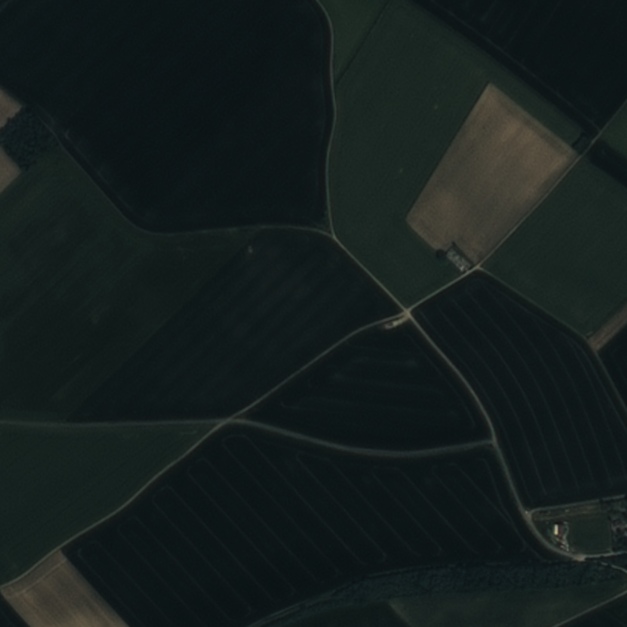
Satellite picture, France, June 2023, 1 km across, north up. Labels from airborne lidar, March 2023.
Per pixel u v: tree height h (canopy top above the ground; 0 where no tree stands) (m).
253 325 0
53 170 0
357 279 0
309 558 0
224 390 0
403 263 0
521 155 0
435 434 0
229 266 0
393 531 0
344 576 0
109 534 0
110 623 0
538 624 0
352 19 0
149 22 0
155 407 0
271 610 0
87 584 0
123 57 0
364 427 0
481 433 0
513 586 6
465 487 0
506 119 0
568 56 0
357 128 0
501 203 0
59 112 0
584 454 0
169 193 0
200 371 0
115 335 0
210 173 0
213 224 0
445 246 0
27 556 0
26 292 0
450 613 0
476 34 0
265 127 0
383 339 0
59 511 0
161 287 0
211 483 0
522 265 0
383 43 0
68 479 0
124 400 0
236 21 0
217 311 0
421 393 0
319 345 0
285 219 0
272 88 0
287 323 0
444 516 0
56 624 0
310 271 0
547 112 0
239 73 0
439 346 0
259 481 0
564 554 0
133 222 0
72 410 0
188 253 0
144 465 0
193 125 0
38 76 0
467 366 0
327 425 0
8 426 0
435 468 0
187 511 0
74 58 0
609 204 0
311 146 0
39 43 0
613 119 0
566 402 0
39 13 0
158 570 0
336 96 0
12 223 0
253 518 0
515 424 0
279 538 0
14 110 0
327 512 0
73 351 0
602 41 0
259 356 0
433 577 8
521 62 0
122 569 0
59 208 0
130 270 0
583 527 0
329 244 0
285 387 0
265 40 0
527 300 0
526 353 0
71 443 0
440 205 0
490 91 0
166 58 0
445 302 0
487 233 0
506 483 0
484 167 0
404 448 0
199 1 0
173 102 0
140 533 0
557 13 0
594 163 0
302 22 0
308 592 0
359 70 0
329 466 0
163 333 0
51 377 0
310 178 0
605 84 0
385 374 0
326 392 0
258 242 0
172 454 0
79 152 0
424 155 0
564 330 0
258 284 0
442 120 0
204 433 0
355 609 0
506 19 0
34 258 0
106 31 0
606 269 0
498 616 0
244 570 0
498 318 0
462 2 0
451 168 0
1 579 0
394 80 0
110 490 0
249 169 0
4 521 0
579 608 0
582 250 0
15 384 0
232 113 0
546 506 0
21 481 0
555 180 0
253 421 0
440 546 0
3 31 0
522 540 0
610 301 0
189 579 0
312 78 0
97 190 0
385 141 0
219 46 0
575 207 0
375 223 0
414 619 0
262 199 0
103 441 0
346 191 0
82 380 0
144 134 0
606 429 0
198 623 0
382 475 0
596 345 0
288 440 0
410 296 0
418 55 0
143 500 0
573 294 0
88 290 0
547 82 0
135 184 0
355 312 0
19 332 0
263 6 0
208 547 0
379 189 0
